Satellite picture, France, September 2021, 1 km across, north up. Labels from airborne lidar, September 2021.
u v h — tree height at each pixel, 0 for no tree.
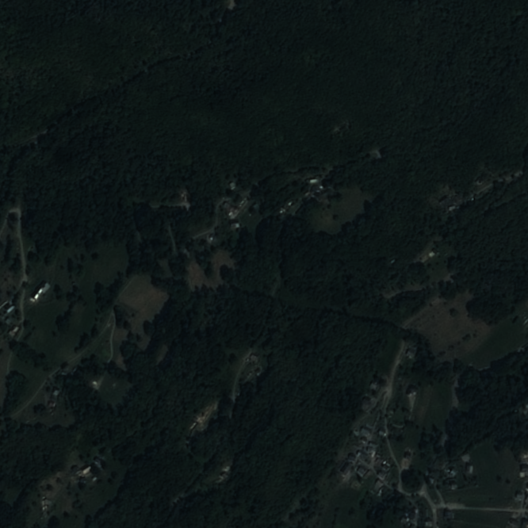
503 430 14
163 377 31
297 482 27
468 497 0
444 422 0
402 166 23
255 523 28
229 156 26
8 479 18
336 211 0
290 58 26
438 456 21
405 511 5
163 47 17
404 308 23
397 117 20
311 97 19
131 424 18
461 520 0
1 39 24
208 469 21
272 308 23
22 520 20
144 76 16
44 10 15
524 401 19
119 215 32
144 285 0
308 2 23
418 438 0
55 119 8
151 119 21
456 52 28
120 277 14
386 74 18
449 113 25
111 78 16
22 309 0
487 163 20
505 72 20
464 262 25
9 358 0
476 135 28
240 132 22
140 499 30
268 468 22
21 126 18
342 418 27
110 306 22
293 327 13
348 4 27
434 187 20
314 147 21
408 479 20
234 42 24
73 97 17
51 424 0
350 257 25
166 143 20
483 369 0
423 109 19
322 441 24
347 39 22
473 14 28
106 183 27
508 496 0
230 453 18
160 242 8
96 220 31
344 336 26
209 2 16
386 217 26
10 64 17
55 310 0
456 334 0
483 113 28
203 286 0
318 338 27
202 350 23
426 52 23
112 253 0
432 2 25
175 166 7
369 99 19
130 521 21
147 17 20
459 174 20
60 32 21
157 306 0
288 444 24
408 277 22
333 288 11
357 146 11
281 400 29
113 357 0
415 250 18
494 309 27
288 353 36
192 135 25
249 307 27
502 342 0
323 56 22
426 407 0
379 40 21
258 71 16
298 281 11
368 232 22
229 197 15
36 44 20
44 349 0
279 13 22
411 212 27
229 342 26
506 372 27
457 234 25
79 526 0
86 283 0
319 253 31
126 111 26
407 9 21
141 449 0
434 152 24
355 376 32
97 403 20
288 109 18
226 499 13
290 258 29
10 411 15
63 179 27
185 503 21
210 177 18
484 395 22
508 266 25
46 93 17
